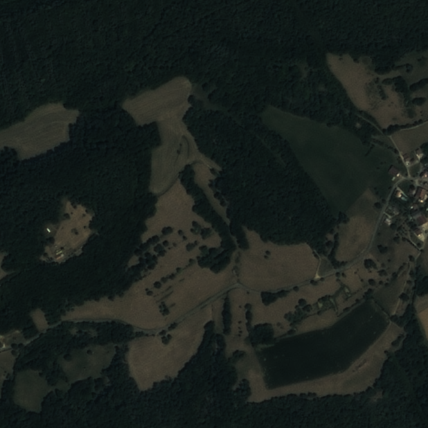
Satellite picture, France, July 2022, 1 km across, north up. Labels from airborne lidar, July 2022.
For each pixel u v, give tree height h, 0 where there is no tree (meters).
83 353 0
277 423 20
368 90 0
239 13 15
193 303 0
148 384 0
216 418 23
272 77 13
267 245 0
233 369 15
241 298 0
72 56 18
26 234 16
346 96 6
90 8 8
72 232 0
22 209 11
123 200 17
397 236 8
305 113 16
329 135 0
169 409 16
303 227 16
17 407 12
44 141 0
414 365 16
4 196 19
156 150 0
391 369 21
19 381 0
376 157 0
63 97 21
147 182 17
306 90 16
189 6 19
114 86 21
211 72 13
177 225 0
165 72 20
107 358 0
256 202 18
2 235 19
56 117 0
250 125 23
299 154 0
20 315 18
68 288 23
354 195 0
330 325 0
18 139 0
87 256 16
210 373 27
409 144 0
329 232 9
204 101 0
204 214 22
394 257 0
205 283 0
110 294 19
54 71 15
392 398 20
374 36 16
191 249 11
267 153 20
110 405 19
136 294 0
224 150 19
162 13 8
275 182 17
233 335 0
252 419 17
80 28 9
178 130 0
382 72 17
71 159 24
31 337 8
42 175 26
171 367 0
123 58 17
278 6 19
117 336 17
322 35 15
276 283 0
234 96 17
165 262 0
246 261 0
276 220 19
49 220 17
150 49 17
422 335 9
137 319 0
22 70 17
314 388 0
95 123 33
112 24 16
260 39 20
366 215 0
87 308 0
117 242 24
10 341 0
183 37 18
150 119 0
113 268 20
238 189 23
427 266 0
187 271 0
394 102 0
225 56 18
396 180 0
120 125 28
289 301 0
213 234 0
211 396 20
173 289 0
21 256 19
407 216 7
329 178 0
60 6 9
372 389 13
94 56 17
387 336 0
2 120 22
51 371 13
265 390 0
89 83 22
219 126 21
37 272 21
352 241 0
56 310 19
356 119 8
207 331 13
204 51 24
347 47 21
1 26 8
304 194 19
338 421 17
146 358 0
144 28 10
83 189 15
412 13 13
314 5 19
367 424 6
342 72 0
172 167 0
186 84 0
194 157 0
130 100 0
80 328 9
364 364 0
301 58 21
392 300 0
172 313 0
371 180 0
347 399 14
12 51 13
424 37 22
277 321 0
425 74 0
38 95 16
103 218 18
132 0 6
